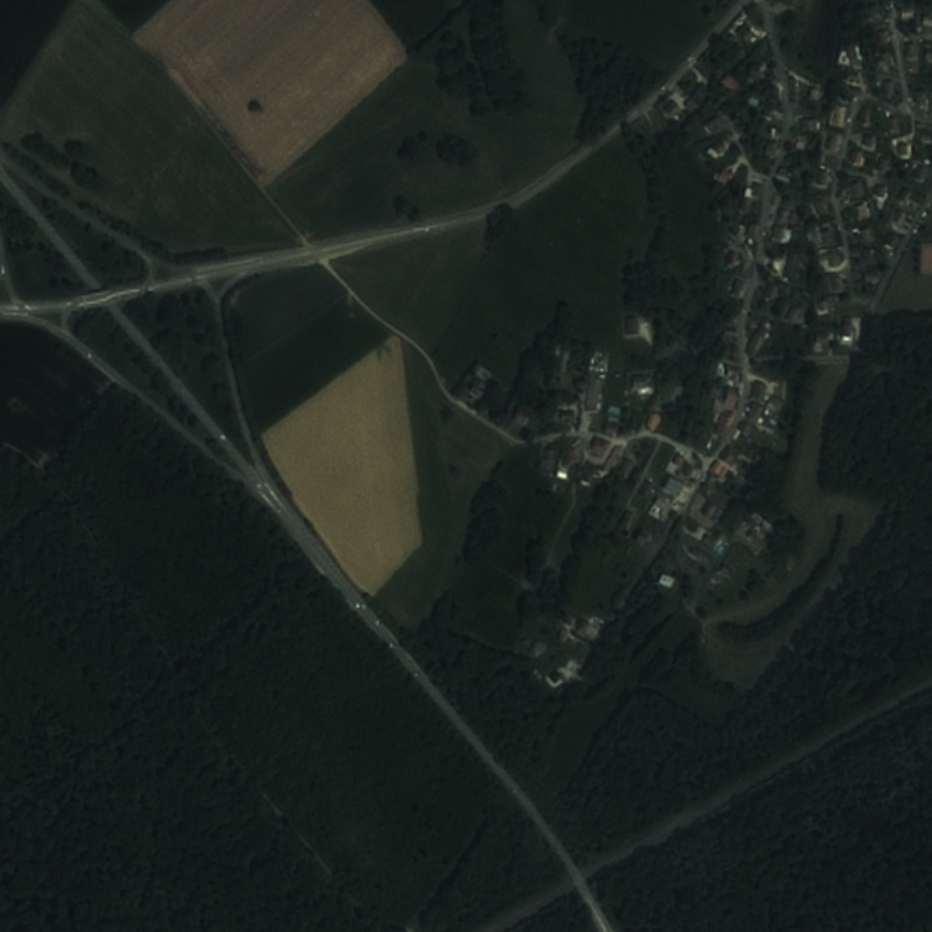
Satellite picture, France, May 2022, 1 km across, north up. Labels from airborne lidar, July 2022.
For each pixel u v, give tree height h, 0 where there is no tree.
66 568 21
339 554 0
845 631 22
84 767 22
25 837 26
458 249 0
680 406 9
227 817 23
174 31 0
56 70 0
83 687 11
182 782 21
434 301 0
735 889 23
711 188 12
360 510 0
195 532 13
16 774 9
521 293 0
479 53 22
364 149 0
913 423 19
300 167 0
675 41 0
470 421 0
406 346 0
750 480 14
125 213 0
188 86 0
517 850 23
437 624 18
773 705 23
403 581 0
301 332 0
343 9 0
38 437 0
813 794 19
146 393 0
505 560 0
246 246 0
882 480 21
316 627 11
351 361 0
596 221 0
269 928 19
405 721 10
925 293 0
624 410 9
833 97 15
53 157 15
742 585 0
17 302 0
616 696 0
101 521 13
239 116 0
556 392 12
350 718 7
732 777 16
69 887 24
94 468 12
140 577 15
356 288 0
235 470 0
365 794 8
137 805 16
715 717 0
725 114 7
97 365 0
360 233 0
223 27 0
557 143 0
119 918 20
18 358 0
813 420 0
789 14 11
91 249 0
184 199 0
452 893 22
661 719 22
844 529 8
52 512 21
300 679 10
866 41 8
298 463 0
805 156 14
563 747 0
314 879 21
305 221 0
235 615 11
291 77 0
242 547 15
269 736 14
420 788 9
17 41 0
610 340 0
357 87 0
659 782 25
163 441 28
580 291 0
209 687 20
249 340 0
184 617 15
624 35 0
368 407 0
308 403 0
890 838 30
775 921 21
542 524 0
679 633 0
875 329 22
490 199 0
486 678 23
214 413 0
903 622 28
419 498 0
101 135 0
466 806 8
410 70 0
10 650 10
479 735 10
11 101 0
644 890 21
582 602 0
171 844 18
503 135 0
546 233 0
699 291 7
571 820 20
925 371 27
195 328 20
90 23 0
